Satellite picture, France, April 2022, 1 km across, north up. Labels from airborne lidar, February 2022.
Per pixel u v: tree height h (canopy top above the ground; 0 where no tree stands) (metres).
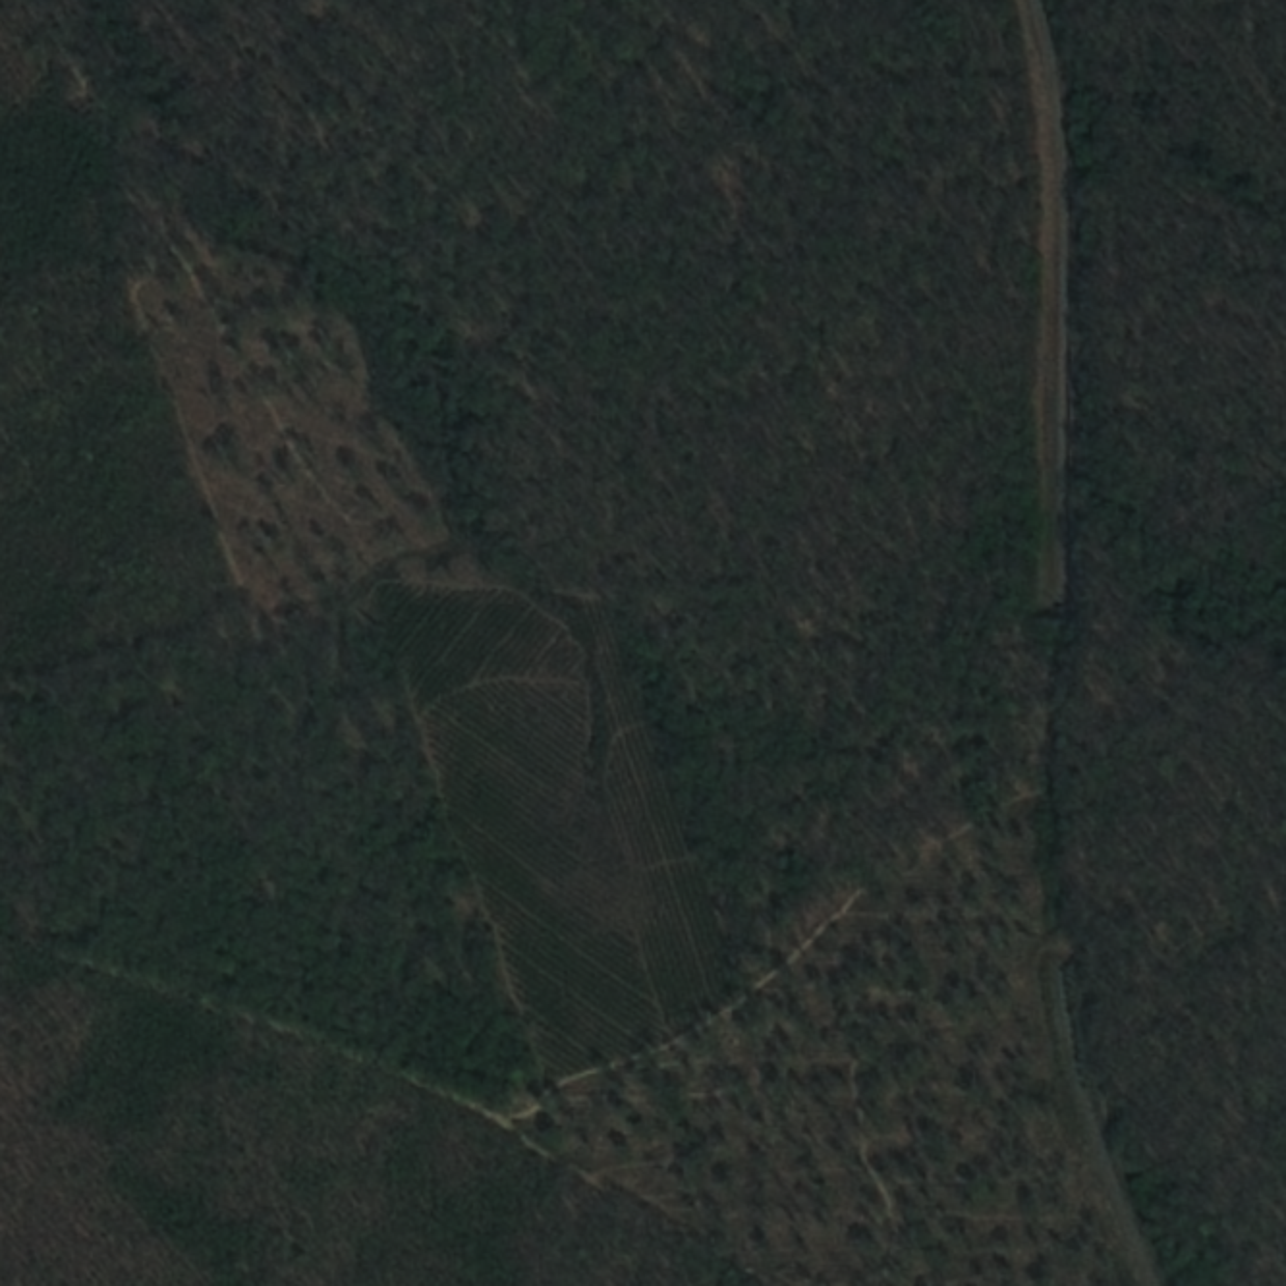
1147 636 34
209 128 30
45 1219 22
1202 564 30
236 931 29
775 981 0
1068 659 27
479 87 29
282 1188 0
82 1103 18
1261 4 23
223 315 27
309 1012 23
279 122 0
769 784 29
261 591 0
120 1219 20
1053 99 0
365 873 25
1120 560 30
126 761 29
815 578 30
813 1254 27
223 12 22
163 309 0
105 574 19
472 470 29
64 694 33
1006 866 29
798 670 27
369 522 0
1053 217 0
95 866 31
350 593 29
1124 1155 27
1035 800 0
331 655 32
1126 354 28
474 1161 0
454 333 28
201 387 0
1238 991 30
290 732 29
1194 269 20
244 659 20
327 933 25
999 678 29
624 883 0
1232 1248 28
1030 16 0
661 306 24
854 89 26
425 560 0
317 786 27
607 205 30
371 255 29
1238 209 28
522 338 29
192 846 27
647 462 29
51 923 24
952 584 30
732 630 29
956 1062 0
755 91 29
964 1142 0
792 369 29
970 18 28
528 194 31
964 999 30
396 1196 22
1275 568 22
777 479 29
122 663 29
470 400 25
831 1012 0
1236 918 27
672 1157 0
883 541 29
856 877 28
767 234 28
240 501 0
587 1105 0
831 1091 30
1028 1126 25
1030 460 20
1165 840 29
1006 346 27
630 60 27
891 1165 0
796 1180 0
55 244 19
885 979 33
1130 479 25
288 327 33
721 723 26
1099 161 29
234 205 29
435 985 30
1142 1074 28
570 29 27
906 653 30
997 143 26
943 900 0
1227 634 32
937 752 23
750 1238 0
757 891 30
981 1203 29
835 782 31
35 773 31
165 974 23
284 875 27
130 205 28
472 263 31
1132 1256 0
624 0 27
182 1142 17
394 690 28
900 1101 0
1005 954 26
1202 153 23
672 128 30
